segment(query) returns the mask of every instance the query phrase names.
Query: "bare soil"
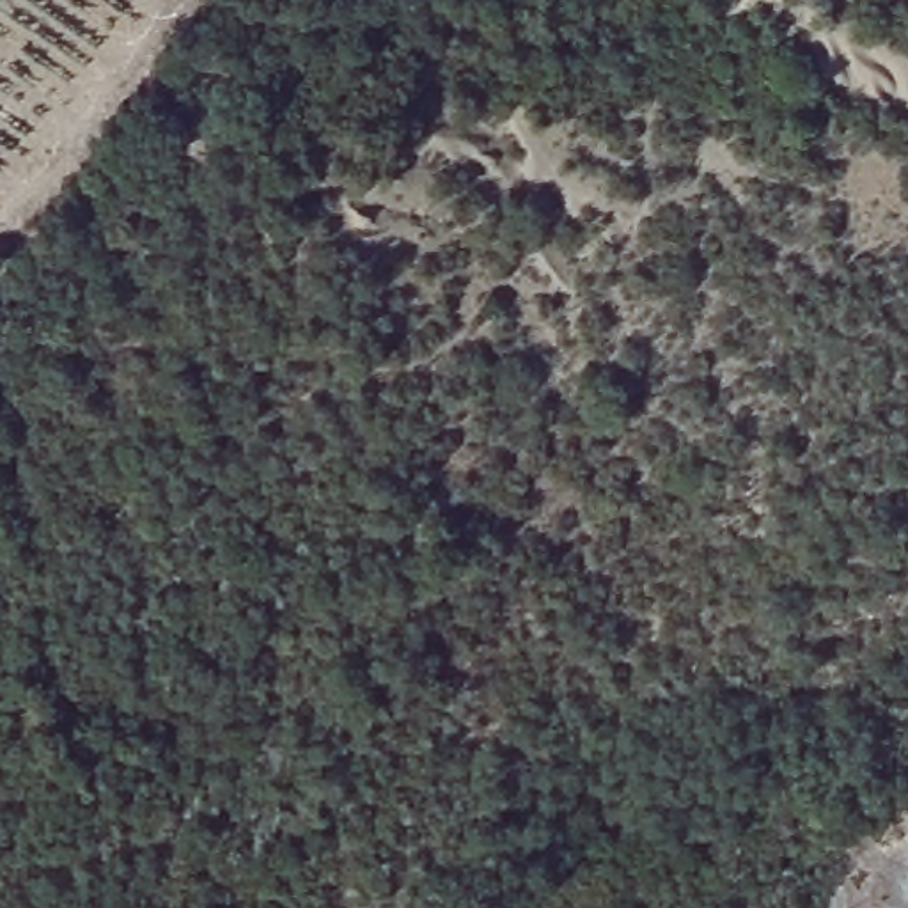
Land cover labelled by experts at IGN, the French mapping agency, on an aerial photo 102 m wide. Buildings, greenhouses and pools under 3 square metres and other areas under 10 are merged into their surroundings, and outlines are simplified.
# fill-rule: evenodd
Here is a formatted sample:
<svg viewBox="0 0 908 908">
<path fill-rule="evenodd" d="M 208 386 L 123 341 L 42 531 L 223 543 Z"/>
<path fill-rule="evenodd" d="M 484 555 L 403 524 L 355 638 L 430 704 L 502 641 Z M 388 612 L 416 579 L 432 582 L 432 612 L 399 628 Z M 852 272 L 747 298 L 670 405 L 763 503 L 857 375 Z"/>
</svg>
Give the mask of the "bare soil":
<svg viewBox="0 0 908 908">
<path fill-rule="evenodd" d="M 500 277 L 486 262 L 468 262 L 461 330 L 433 344 L 440 355 L 450 355 L 468 341 L 493 341 L 497 319 L 482 323 L 479 316 L 486 294 L 493 294 L 500 309 L 518 298 L 521 323 L 532 330 L 532 341 L 553 348 L 553 387 L 560 380 L 582 376 L 589 365 L 589 348 L 578 323 L 585 309 L 578 277 L 631 270 L 646 262 L 638 255 L 638 227 L 660 206 L 677 202 L 692 213 L 716 209 L 716 199 L 709 199 L 706 192 L 709 174 L 716 174 L 720 184 L 727 177 L 755 177 L 752 167 L 738 160 L 724 142 L 706 138 L 699 149 L 670 145 L 667 135 L 656 135 L 660 103 L 642 103 L 631 114 L 624 114 L 646 121 L 646 167 L 699 167 L 695 177 L 653 188 L 646 199 L 631 202 L 607 192 L 603 174 L 564 170 L 564 160 L 575 149 L 589 149 L 592 156 L 603 156 L 631 170 L 624 153 L 610 149 L 603 135 L 589 131 L 582 121 L 536 128 L 528 114 L 514 110 L 507 121 L 482 121 L 479 135 L 514 135 L 514 142 L 525 153 L 521 160 L 493 160 L 472 142 L 433 135 L 419 145 L 415 170 L 408 177 L 380 181 L 365 192 L 365 202 L 380 206 L 376 220 L 365 220 L 355 206 L 344 206 L 341 216 L 362 241 L 397 238 L 415 245 L 419 252 L 436 252 L 450 241 L 461 241 L 468 231 L 486 227 L 489 216 L 486 209 L 475 209 L 472 220 L 461 223 L 447 199 L 429 195 L 433 181 L 443 174 L 450 160 L 479 163 L 486 177 L 500 188 L 514 188 L 521 181 L 557 184 L 564 195 L 564 209 L 571 216 L 578 216 L 585 206 L 614 213 L 614 223 L 599 234 L 589 234 L 582 248 L 560 252 L 546 245 L 543 252 L 525 255 L 514 277 Z"/>
<path fill-rule="evenodd" d="M 901 195 L 901 160 L 894 156 L 862 153 L 841 177 L 851 248 L 869 252 L 897 245 L 908 252 L 908 202 Z"/>
<path fill-rule="evenodd" d="M 890 92 L 908 103 L 908 57 L 894 53 L 890 46 L 855 43 L 851 32 L 841 25 L 844 0 L 734 0 L 731 11 L 738 14 L 752 11 L 755 4 L 773 4 L 777 11 L 791 14 L 802 32 L 826 53 L 844 57 L 848 71 L 837 74 L 837 85 L 848 85 L 862 96 Z"/>
<path fill-rule="evenodd" d="M 869 837 L 858 848 L 851 848 L 851 865 L 844 873 L 844 883 L 834 890 L 830 908 L 908 908 L 908 812 L 883 837 Z"/>
<path fill-rule="evenodd" d="M 628 341 L 635 333 L 646 333 L 653 319 L 667 309 L 667 298 L 646 294 L 638 301 L 628 301 L 624 291 L 614 284 L 610 305 L 617 309 L 617 326 L 610 337 Z"/>
</svg>

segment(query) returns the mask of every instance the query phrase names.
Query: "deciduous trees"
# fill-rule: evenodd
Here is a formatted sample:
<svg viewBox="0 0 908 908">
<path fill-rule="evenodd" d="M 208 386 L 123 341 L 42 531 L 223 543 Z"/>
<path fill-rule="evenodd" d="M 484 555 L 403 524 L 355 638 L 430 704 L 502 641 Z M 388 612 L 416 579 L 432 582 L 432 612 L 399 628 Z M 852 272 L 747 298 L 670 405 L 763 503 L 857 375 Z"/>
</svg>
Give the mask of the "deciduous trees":
<svg viewBox="0 0 908 908">
<path fill-rule="evenodd" d="M 177 206 L 202 206 L 209 195 L 177 174 L 177 138 L 199 138 L 209 153 L 223 145 L 234 149 L 255 131 L 262 135 L 266 103 L 259 92 L 273 71 L 287 67 L 301 74 L 301 85 L 312 96 L 309 110 L 316 117 L 341 92 L 355 89 L 351 67 L 365 64 L 372 50 L 387 50 L 390 43 L 397 50 L 429 53 L 440 64 L 443 106 L 472 99 L 482 121 L 507 121 L 514 110 L 528 114 L 536 103 L 617 103 L 624 114 L 631 114 L 642 103 L 660 103 L 656 135 L 667 135 L 670 145 L 699 149 L 706 138 L 724 142 L 727 135 L 741 131 L 741 121 L 709 121 L 727 103 L 734 110 L 755 106 L 770 121 L 791 124 L 798 106 L 816 103 L 816 78 L 795 67 L 791 53 L 802 32 L 791 14 L 777 11 L 773 4 L 755 4 L 752 11 L 738 14 L 731 11 L 734 0 L 202 0 L 195 14 L 177 18 L 174 28 L 163 35 L 163 50 L 153 64 L 153 74 L 117 106 L 117 114 L 89 142 L 85 163 L 64 181 L 60 195 L 67 202 L 89 199 L 96 216 L 142 213 L 163 220 Z"/>
<path fill-rule="evenodd" d="M 74 234 L 67 234 L 60 206 L 53 199 L 18 231 L 0 234 L 0 387 L 4 397 L 21 411 L 21 419 L 46 419 L 50 411 L 57 411 L 71 426 L 89 426 L 96 419 L 85 411 L 82 401 L 71 397 L 71 380 L 60 369 L 67 365 L 67 355 L 89 358 L 103 351 L 99 341 L 89 333 L 89 323 L 110 323 L 117 301 L 110 294 L 106 273 L 92 262 L 92 255 Z"/>
</svg>

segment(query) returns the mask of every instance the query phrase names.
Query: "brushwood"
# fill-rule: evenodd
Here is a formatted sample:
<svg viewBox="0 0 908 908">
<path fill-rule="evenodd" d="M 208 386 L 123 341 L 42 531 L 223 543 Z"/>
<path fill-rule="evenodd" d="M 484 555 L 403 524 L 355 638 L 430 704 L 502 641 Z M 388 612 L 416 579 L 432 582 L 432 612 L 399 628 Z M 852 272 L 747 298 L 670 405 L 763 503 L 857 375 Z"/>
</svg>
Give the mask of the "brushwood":
<svg viewBox="0 0 908 908">
<path fill-rule="evenodd" d="M 894 53 L 908 57 L 908 0 L 844 0 L 841 25 L 851 32 L 855 43 L 890 46 Z"/>
<path fill-rule="evenodd" d="M 589 149 L 575 149 L 564 160 L 564 170 L 603 174 L 607 192 L 631 202 L 646 199 L 653 188 L 695 177 L 699 167 L 646 167 L 646 121 L 624 114 L 617 103 L 536 103 L 528 114 L 536 128 L 582 121 L 589 131 L 603 135 L 610 149 L 624 153 L 631 170 L 603 156 L 592 156 Z"/>
<path fill-rule="evenodd" d="M 21 419 L 21 411 L 4 397 L 0 387 L 0 908 L 830 908 L 834 890 L 844 883 L 844 873 L 851 865 L 851 848 L 858 848 L 869 837 L 883 837 L 908 812 L 908 252 L 897 245 L 869 252 L 851 248 L 841 177 L 862 153 L 894 156 L 901 160 L 901 195 L 908 202 L 908 103 L 890 92 L 862 96 L 848 85 L 837 85 L 837 74 L 848 71 L 844 57 L 826 53 L 802 32 L 791 53 L 795 67 L 816 78 L 816 103 L 798 106 L 791 124 L 770 121 L 755 106 L 734 110 L 727 103 L 709 121 L 741 121 L 741 131 L 727 135 L 724 142 L 738 160 L 752 167 L 755 177 L 727 177 L 720 184 L 716 174 L 709 174 L 706 192 L 709 199 L 716 199 L 716 209 L 692 213 L 677 202 L 660 206 L 638 227 L 638 255 L 646 262 L 631 270 L 578 277 L 585 309 L 578 323 L 589 348 L 589 365 L 582 376 L 560 380 L 553 387 L 553 348 L 532 341 L 532 330 L 521 323 L 518 298 L 500 309 L 493 294 L 486 294 L 479 316 L 482 323 L 497 319 L 493 341 L 468 341 L 450 355 L 440 355 L 433 344 L 461 330 L 468 262 L 486 262 L 500 277 L 514 277 L 525 255 L 543 252 L 546 245 L 560 252 L 582 248 L 589 234 L 599 234 L 614 223 L 614 213 L 585 206 L 578 216 L 571 216 L 564 209 L 564 195 L 557 184 L 521 181 L 514 188 L 500 188 L 486 177 L 479 163 L 450 160 L 443 174 L 433 181 L 429 195 L 447 199 L 461 223 L 472 220 L 475 209 L 486 209 L 489 216 L 486 227 L 468 231 L 461 241 L 450 241 L 436 252 L 419 252 L 415 245 L 397 238 L 362 241 L 341 216 L 344 206 L 355 206 L 365 220 L 376 220 L 380 206 L 365 202 L 365 192 L 380 181 L 408 177 L 415 170 L 419 145 L 433 135 L 472 142 L 493 160 L 521 160 L 525 153 L 514 142 L 514 135 L 479 135 L 482 121 L 472 99 L 443 106 L 440 64 L 429 53 L 397 50 L 390 43 L 387 50 L 372 50 L 365 64 L 351 67 L 355 89 L 341 92 L 316 117 L 309 110 L 312 96 L 301 85 L 301 74 L 287 67 L 273 71 L 259 92 L 266 103 L 262 135 L 255 131 L 234 149 L 223 145 L 209 153 L 199 138 L 177 138 L 177 174 L 209 195 L 202 206 L 177 206 L 163 220 L 142 213 L 96 216 L 89 199 L 67 202 L 60 195 L 53 199 L 60 206 L 67 234 L 74 234 L 92 255 L 92 262 L 106 273 L 110 294 L 117 301 L 110 323 L 89 323 L 89 333 L 99 341 L 103 351 L 89 358 L 67 355 L 67 365 L 60 369 L 71 380 L 71 397 L 82 401 L 85 411 L 96 419 L 89 426 L 71 426 L 57 411 L 50 411 L 46 419 Z M 667 309 L 653 319 L 646 333 L 635 333 L 628 341 L 610 337 L 617 326 L 617 309 L 610 305 L 614 284 L 624 291 L 628 301 L 638 301 L 646 294 L 667 298 Z"/>
</svg>

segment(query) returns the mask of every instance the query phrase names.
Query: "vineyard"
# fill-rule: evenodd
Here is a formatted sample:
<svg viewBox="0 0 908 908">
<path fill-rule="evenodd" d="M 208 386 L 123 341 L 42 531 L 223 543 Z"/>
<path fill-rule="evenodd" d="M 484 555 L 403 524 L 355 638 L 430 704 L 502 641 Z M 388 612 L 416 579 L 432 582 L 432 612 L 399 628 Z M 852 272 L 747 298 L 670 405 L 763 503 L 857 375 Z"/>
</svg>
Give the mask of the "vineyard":
<svg viewBox="0 0 908 908">
<path fill-rule="evenodd" d="M 117 106 L 153 74 L 153 64 L 163 50 L 163 35 L 174 28 L 177 18 L 195 14 L 202 0 L 0 0 L 0 234 L 18 231 L 53 199 L 60 195 L 64 181 L 85 163 L 89 142 L 117 114 Z"/>
</svg>

